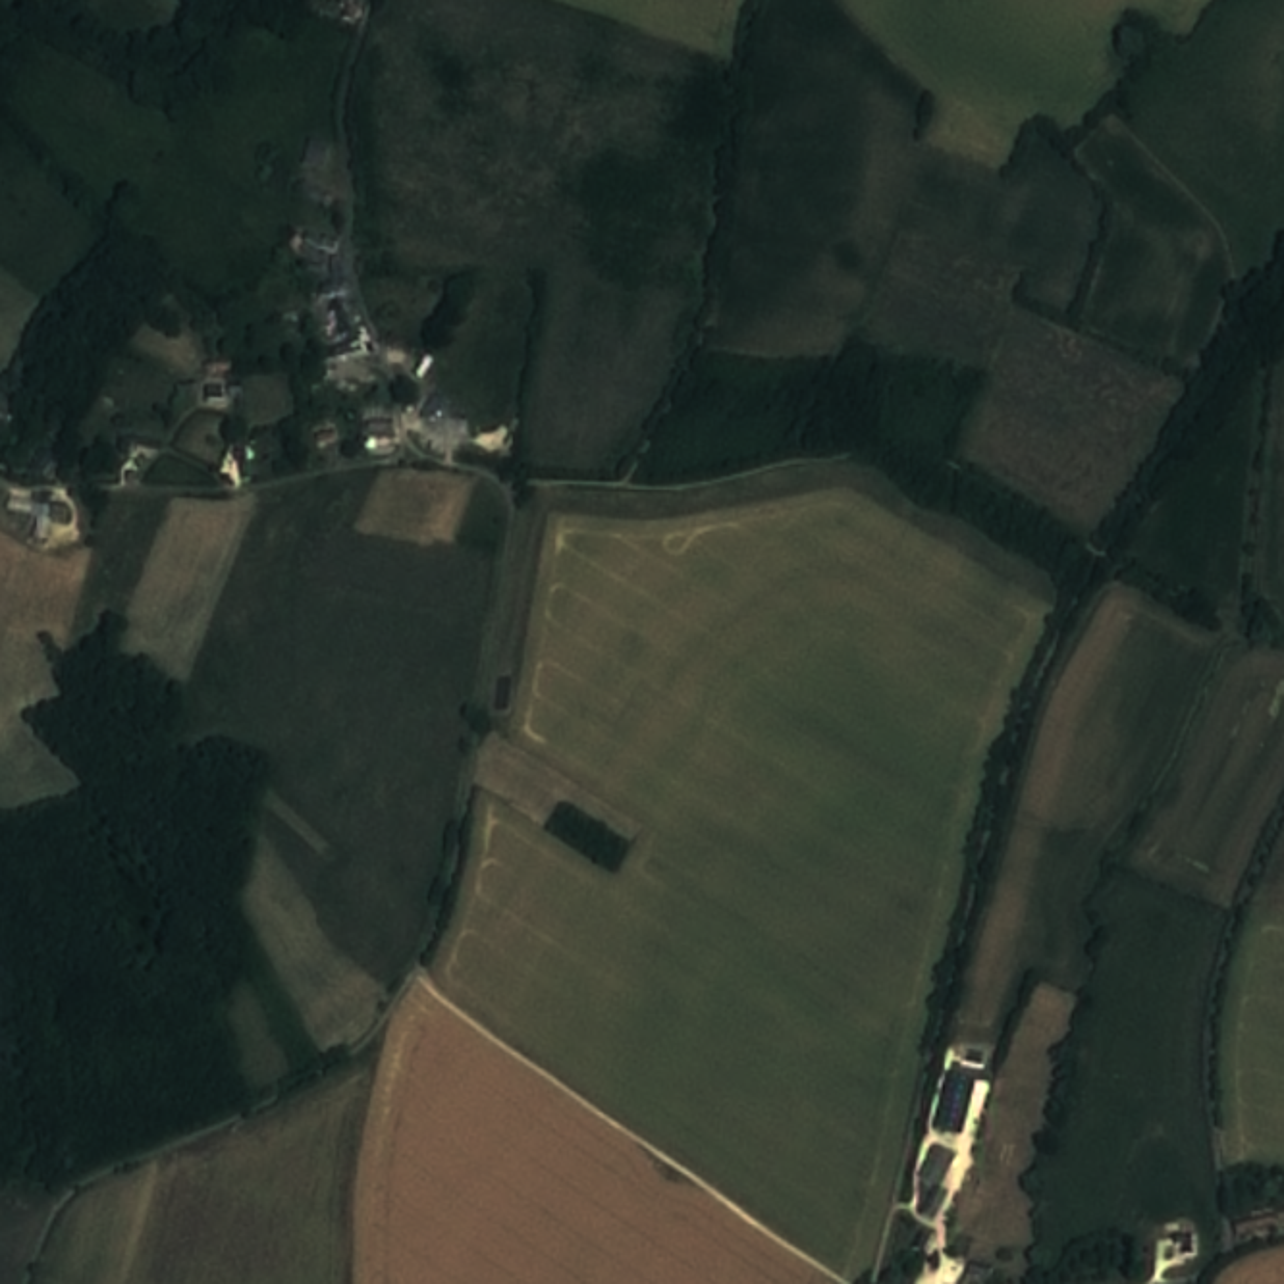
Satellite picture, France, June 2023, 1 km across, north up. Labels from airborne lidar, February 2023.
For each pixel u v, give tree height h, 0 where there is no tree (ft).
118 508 0
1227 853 0
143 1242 0
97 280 68
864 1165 0
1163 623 0
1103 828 0
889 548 0
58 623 0
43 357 45
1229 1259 34
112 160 0
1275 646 27
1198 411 36
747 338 0
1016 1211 0
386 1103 0
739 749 0
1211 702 0
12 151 0
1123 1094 0
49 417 35
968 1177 0
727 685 0
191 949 74
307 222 0
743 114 27
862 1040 0
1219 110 0
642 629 0
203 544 0
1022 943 0
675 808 0
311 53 0
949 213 0
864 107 0
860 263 0
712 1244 0
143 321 43
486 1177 0
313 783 0
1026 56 0
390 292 0
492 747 0
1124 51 59
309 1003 0
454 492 0
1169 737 0
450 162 0
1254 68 0
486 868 0
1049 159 0
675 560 0
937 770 0
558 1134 0
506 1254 0
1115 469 0
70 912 69
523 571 0
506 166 0
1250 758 0
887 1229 0
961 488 20
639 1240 0
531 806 0
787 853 0
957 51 0
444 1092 0
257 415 0
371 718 0
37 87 0
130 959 68
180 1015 59
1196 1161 0
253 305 0
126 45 57
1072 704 0
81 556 0
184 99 45
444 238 0
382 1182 0
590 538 0
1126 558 34
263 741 0
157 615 0
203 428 0
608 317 0
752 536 0
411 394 57
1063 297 0
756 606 0
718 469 28
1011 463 0
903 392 24
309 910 0
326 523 0
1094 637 0
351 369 0
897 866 0
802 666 0
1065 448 0
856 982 0
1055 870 0
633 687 0
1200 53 0
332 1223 0
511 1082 0
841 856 0
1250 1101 0
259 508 0
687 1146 0
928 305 0
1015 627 0
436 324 62
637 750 0
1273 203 0
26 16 89
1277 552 0
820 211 0
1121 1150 0
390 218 0
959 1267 0
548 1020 0
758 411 19
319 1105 0
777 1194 0
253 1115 26
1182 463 52
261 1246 0
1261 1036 0
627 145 0
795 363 19
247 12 54
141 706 66
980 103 0
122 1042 52
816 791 0
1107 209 22
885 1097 0
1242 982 0
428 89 0
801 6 0
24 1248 0
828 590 0
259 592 0
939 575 0
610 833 21
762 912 0
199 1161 0
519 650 0
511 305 0
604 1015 0
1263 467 37
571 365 0
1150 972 0
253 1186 0
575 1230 0
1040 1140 46
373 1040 0
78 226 0
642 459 27
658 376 0
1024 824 0
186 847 71
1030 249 0
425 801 0
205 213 0
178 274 31
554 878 0
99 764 52
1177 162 0
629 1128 0
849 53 0
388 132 0
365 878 0
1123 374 0
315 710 0
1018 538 34
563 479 33
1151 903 0
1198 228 0
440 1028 0
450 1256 0
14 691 0
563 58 0
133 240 41
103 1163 24
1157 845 0
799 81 0
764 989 0
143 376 0
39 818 52
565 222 0
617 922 0
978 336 0
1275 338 55
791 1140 0
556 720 0
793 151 0
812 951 0
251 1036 0
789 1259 0
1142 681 0
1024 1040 0
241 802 61
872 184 0
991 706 0
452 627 0
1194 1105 0
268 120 0
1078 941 0
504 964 0
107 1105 35
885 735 0
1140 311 0
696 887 0
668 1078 0
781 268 0
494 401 0
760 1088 0
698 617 0
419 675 0
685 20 0
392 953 0
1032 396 0
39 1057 45
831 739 0
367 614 0
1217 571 0
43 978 72
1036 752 0
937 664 0
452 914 26
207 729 0
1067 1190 0
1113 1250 25
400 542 0
